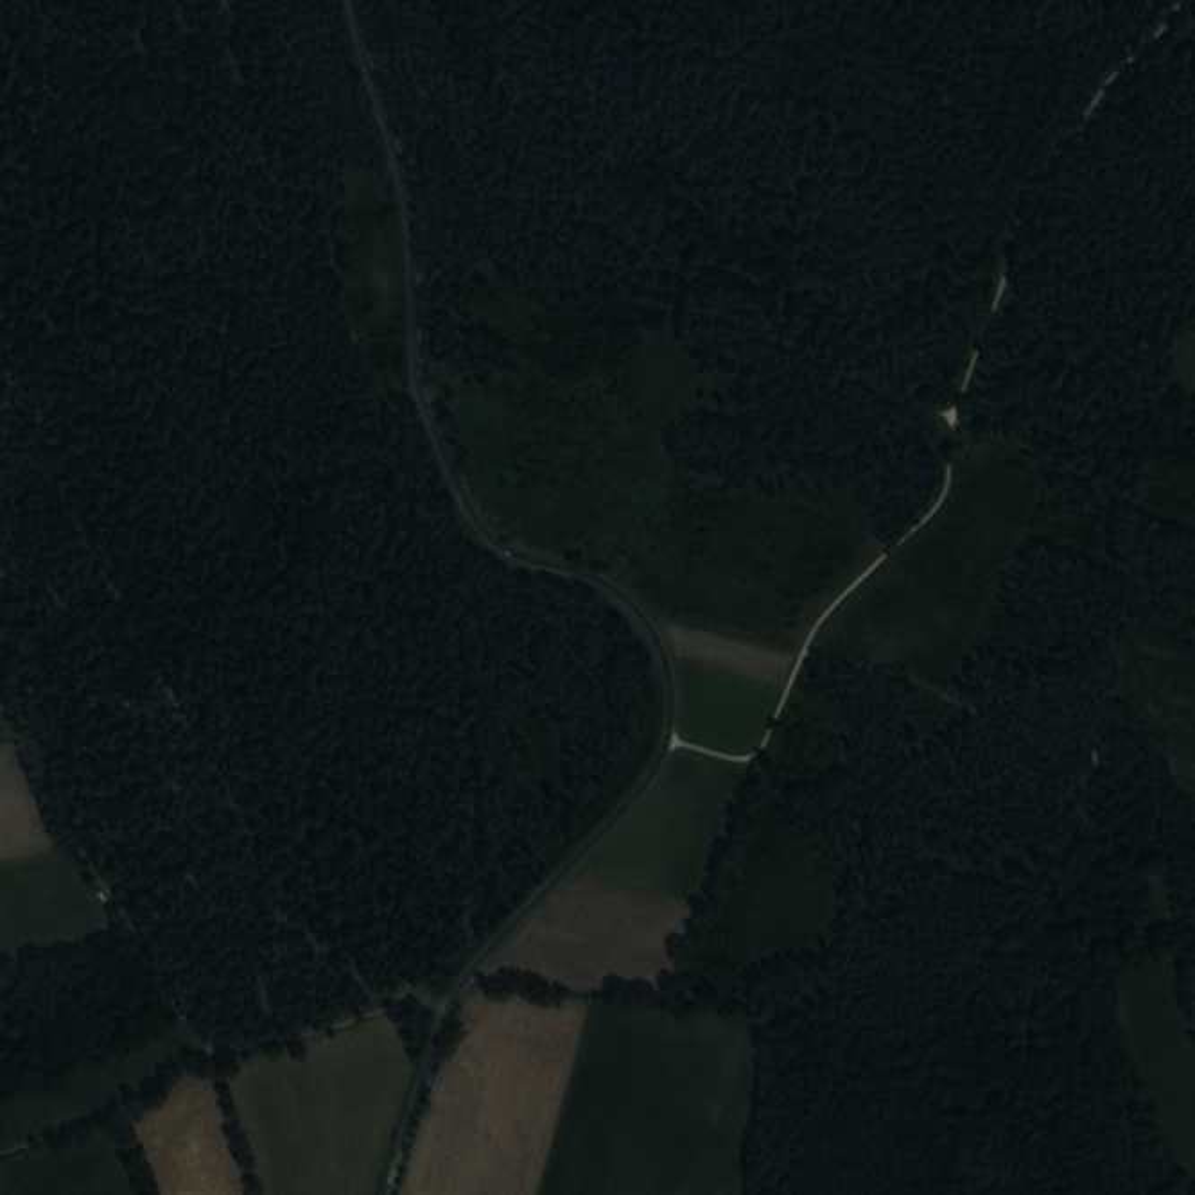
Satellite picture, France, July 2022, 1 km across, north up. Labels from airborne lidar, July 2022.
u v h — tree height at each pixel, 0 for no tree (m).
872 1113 26
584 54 18
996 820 24
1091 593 29
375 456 34
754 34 21
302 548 13
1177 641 7
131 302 28
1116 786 8
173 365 25
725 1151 0
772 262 15
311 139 31
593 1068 0
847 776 24
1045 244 13
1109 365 23
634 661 30
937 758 20
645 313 9
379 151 31
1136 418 32
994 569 0
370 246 0
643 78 34
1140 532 25
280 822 22
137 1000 22
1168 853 12
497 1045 0
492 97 20
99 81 16
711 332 23
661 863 0
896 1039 21
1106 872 22
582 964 0
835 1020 26
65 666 16
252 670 30
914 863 23
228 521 23
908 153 17
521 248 25
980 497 0
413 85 22
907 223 32
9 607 25
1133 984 0
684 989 10
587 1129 0
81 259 26
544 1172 0
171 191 21
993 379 13
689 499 6
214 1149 0
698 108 31
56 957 22
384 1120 0
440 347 17
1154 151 21
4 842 0
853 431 23
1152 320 18
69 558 33
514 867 30
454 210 23
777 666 0
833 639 0
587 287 20
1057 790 27
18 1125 0
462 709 36
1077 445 24
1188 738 0
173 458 24
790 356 20
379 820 18
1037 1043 26
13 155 9
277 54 27
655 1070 0
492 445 0
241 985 23
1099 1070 23
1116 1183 24
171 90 18
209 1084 0
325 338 30
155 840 31
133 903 26
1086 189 25
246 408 17
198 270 24
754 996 21
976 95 19
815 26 19
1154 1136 15
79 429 26
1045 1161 23
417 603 13
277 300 31
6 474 35
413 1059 15
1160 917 0
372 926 25
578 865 0
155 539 27
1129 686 0
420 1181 0
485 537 0
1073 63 23
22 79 8
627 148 11
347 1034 0
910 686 22
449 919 27
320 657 32
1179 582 25
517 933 0
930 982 23
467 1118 0
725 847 23
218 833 27
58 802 29
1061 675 23
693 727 0
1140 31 14
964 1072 29
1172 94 23
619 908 0
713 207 23
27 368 27
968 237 21
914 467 23
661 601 0
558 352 5
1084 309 28
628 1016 0
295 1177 0
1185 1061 0
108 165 23
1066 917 10
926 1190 25
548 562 0
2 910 0
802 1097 24
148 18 16
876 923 25
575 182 19
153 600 9
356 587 33
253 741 32
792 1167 19
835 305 13
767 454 9
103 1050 21
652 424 0
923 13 25
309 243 21
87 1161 0
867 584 0
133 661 19
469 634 27
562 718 28
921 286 8
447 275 15
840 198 30
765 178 17
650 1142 0
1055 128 24
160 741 24
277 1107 0
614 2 18
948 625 0
